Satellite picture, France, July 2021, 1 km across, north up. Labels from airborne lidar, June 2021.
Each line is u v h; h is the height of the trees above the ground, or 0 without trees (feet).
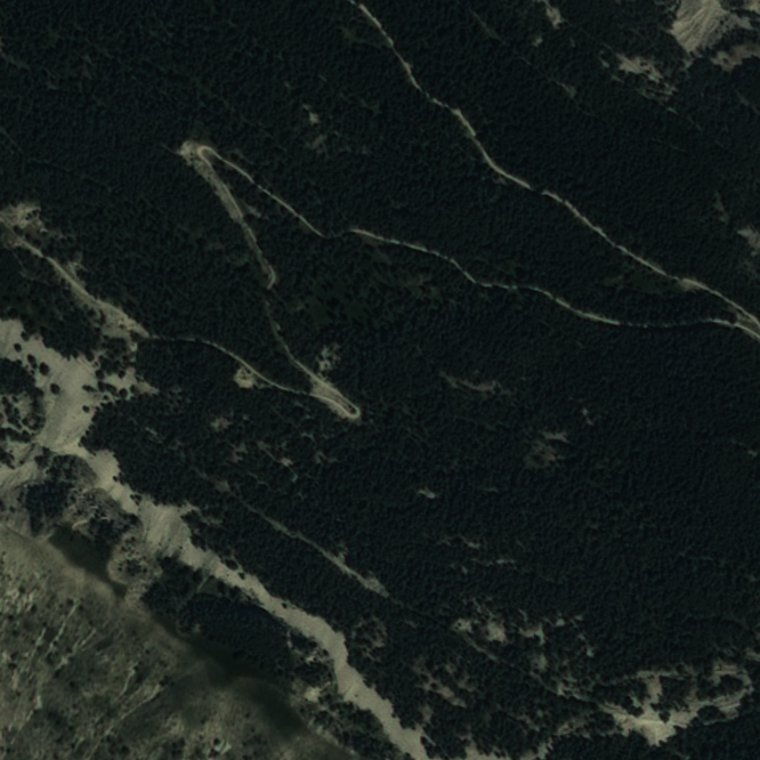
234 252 39
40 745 0
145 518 0
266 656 44
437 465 59
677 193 36
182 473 67
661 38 44
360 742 44
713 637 51
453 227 74
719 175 41
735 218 59
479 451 84
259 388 50
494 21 60
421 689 28
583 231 59
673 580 59
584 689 21
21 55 54
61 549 0
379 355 83
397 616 52
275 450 38
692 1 0
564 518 54
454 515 60
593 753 56
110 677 0
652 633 67
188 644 0
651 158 51
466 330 73
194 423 33
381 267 91
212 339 79
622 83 22
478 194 44
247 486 49
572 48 39
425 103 72
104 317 35
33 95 55
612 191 63
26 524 0
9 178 54
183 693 0
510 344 48
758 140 59
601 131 58
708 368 67
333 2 59
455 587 48
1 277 44
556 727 46
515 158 65
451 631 39
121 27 45
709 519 63
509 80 71
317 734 0
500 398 34
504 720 68
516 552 43
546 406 71
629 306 65
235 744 0
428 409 53
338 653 0
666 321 77
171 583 26
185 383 60
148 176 88
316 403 45
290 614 0
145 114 74
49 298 44
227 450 32
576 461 79
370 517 49
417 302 79
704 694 28
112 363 34
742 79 75
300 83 71
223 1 56
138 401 25
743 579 43
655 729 0
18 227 35
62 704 0
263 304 67
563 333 67
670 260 61
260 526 48
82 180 50
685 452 75
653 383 67
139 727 0
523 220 62
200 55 77
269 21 56
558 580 52
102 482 0
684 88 61
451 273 66
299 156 88
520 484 66
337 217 94
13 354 0
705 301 43
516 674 61
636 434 37
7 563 0
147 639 0
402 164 69
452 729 59
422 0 60
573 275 69
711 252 48
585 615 35
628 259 33
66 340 36
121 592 0
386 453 70
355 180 74
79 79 43
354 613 48
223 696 0
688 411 75
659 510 64
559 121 35
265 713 0
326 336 54
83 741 0
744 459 53
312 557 39
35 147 67
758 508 47
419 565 70
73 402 0
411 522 67
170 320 90
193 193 66
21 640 0
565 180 71
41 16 66
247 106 82
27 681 0
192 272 71
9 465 20
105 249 51
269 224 39
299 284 47
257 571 60
